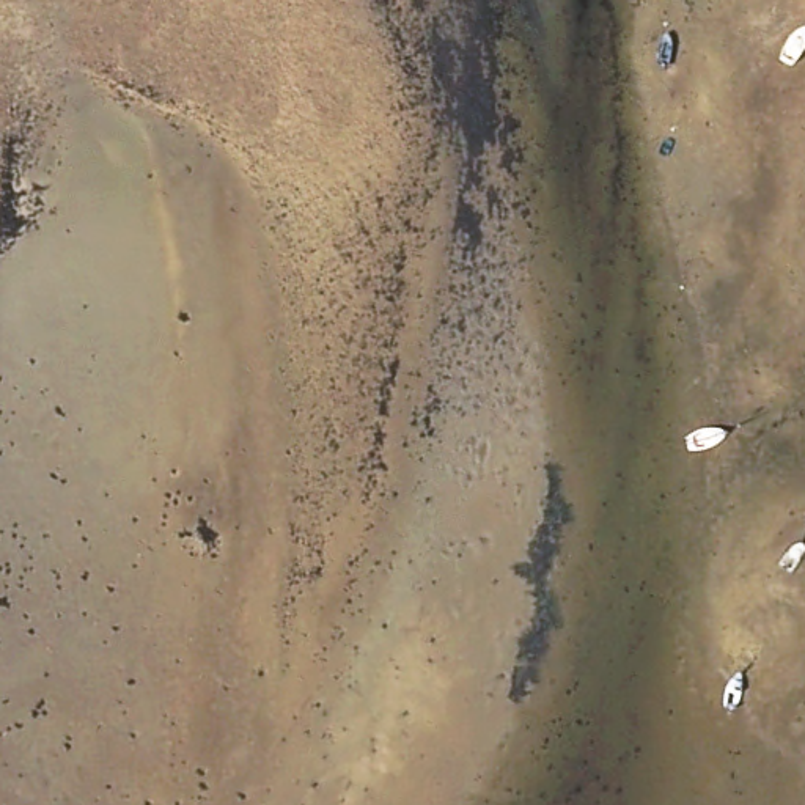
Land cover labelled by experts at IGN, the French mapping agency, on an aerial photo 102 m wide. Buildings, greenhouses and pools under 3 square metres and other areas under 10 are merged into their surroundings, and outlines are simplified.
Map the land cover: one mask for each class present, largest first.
<instances>
[{"label":"bare soil","instance_id":"1","mask_svg":"<svg viewBox=\"0 0 805 805\"><path fill-rule=\"evenodd\" d=\"M380 13L368 0H0V805H472V796L484 792L491 770L497 767V742L516 730V708L509 698L513 667L519 638L531 629L535 619L531 585L516 575V563L528 560V544L544 519L547 497V418L541 403L547 399V380L538 368L544 346L541 321L531 305V274L528 267H519V255L522 248H528L531 233L516 214L513 176H506L503 170L500 145H484V154L469 151V138L459 123L437 129L431 123V107L399 110L406 75L396 66L393 41L384 28H377ZM623 53L632 63L645 113V126L632 132V142L638 148L641 167H654L660 176L663 217L673 233L682 274L679 292H686L689 299L695 343H701L704 349V387L714 393V403L733 412V418L720 428L723 440L717 447L698 450V456L708 462V472L695 538H701L704 544L714 541V557L708 563V594L686 607L673 635V686L679 692H689L692 698H723L726 711L736 708L742 714L748 736L764 742L770 752H780L783 761H792L796 755L805 758V0H641L635 6L632 31L623 47Z\"/></svg>","mask_w":805,"mask_h":805},{"label":"water","instance_id":"2","mask_svg":"<svg viewBox=\"0 0 805 805\"><path fill-rule=\"evenodd\" d=\"M380 13L377 28H384L393 41L396 66L406 75L399 110L431 107V123L437 129L459 123L469 138V151L484 154V145H500L503 170L506 176H513L516 214L531 233L528 248H522L519 255V267H528L531 274V305L541 321L544 346L538 368L547 380V399L541 403L547 418V497L544 519L528 544V560L516 563V575L531 585L535 619L531 629L519 638L513 667L509 698L516 708V730L497 742V767L491 770L484 792L472 796V805H805V758L796 755L792 761H783L780 752H770L764 742L748 736L742 714L736 708L726 711L723 698H692L689 692H679L673 686V635L686 607L708 594V563L714 557V541L704 544L701 538H695L708 472V462L698 456V450L717 447L723 440L720 428L733 418V412L714 403V393L704 387V349L701 343H695L689 299L686 292H679L682 274L673 233L663 217L660 176L654 167H641L638 148L632 142V132L645 126V113L632 63L623 53V47L632 31L635 6L641 0H368Z\"/></svg>","mask_w":805,"mask_h":805}]
</instances>
